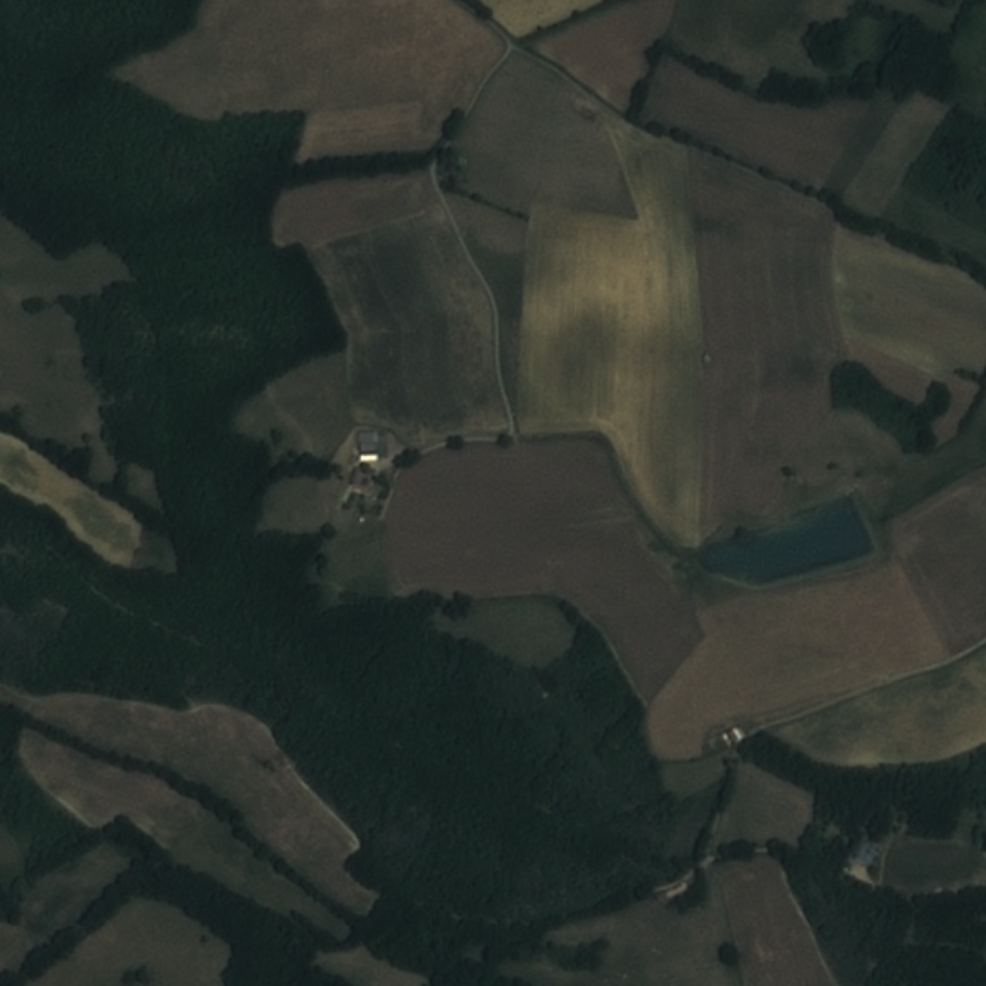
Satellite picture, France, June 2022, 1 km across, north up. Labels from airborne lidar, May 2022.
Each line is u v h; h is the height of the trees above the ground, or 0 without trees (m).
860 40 0
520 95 0
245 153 7
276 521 0
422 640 16
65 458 13
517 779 9
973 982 14
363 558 0
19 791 8
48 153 10
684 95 0
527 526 0
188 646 8
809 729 0
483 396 0
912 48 20
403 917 15
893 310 0
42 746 0
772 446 0
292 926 13
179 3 12
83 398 0
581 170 0
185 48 0
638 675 0
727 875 0
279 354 7
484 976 19
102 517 0
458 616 9
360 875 14
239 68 0
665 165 0
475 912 11
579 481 0
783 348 0
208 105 0
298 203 0
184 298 8
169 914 0
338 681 7
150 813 0
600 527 0
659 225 0
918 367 0
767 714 0
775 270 0
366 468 12
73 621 12
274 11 0
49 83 14
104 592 6
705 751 0
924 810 13
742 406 0
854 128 0
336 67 0
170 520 13
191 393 6
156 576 13
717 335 0
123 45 10
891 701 0
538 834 9
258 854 13
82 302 7
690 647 0
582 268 0
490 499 0
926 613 0
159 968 0
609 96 0
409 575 0
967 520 0
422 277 0
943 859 0
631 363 0
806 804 0
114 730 0
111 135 8
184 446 9
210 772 0
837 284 0
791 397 0
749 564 0
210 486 10
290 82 0
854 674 0
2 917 15
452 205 0
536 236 0
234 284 10
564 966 6
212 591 9
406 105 0
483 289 0
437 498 0
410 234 0
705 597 0
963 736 0
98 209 12
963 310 0
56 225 19
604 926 0
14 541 6
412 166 11
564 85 0
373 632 12
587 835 11
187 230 15
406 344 0
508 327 0
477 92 0
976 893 15
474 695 12
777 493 0
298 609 12
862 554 0
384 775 10
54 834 7
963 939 9
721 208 0
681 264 0
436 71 0
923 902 13
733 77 13
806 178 0
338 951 10
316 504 0
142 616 7
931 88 18
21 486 0
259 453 12
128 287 13
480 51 0
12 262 0
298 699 9
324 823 0
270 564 12
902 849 0
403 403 0
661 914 0
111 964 0
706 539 0
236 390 10
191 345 7
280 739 10
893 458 0
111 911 19
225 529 9
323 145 0
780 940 0
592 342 0
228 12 0
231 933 18
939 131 6
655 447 0
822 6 0
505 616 0
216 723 0
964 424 7
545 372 0
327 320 15
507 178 0
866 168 0
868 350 0
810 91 15
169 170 6
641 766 9
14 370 0
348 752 10
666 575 0
